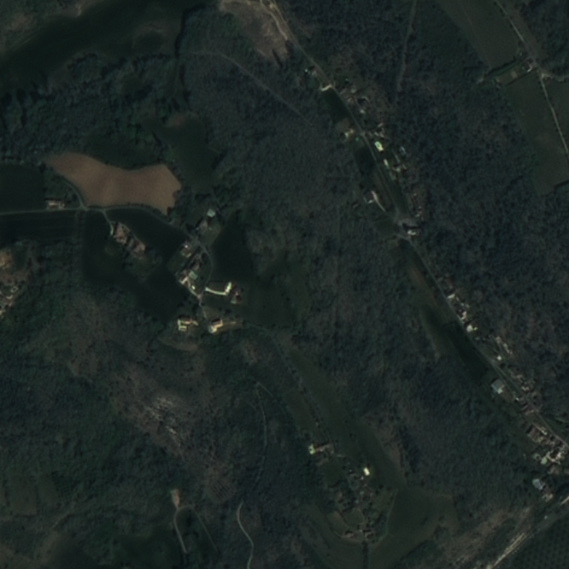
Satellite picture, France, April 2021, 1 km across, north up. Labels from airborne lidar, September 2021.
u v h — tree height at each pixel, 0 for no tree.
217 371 10
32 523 16
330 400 0
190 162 0
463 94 11
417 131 18
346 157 25
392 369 16
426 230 25
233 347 24
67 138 15
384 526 14
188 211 12
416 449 19
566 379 19
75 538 20
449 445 26
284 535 9
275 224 17
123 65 14
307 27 12
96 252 0
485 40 0
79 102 11
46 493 0
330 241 18
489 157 13
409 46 13
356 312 19
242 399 10
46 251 11
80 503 17
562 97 0
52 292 18
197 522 14
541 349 11
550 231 14
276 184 22
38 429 17
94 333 13
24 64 0
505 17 9
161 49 0
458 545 0
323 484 12
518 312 11
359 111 15
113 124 17
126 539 0
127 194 0
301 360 0
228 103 16
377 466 0
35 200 0
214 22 27
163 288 0
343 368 9
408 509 0
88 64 15
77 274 18
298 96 20
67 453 20
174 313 0
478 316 6
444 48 9
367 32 10
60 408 25
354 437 8
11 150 13
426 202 6
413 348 19
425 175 8
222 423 14
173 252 0
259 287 0
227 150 17
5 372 26
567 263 12
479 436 25
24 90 0
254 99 15
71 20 0
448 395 12
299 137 22
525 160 13
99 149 0
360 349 7
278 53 0
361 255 21
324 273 12
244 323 8
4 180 0
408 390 16
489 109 8
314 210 15
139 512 15
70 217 0
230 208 7
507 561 15
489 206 14
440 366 10
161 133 0
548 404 20
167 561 0
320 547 0
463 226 15
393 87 13
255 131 11
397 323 22
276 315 0
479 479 28
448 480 22
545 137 0
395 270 8
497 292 11
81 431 24
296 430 8
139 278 10
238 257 0
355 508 14
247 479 9
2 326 11
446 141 10
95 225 0
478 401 9
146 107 24
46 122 19
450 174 16
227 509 11
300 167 22
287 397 0
